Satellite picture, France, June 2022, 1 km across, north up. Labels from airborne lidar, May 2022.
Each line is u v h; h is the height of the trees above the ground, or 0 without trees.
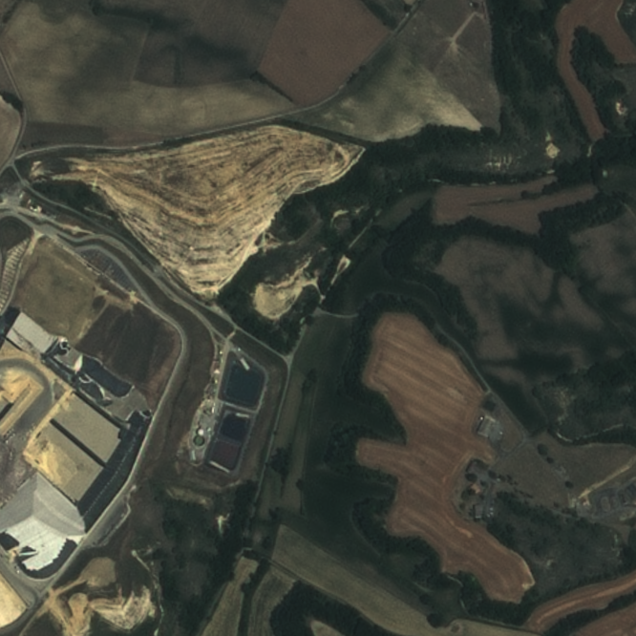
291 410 0
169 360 0
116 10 0
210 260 0
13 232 0
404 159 11
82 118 0
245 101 0
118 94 0
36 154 0
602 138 7
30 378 0
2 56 0
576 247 8
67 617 0
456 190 0
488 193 0
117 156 0
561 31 0
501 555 0
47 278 0
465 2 0
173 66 0
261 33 0
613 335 0
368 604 0
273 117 0
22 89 0
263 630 0
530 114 9
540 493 0
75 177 0
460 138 7
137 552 0
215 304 0
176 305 0
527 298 0
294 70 0
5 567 0
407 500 0
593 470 0
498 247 0
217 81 0
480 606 6
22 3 0
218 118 0
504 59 13
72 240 0
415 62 0
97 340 0
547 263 13
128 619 0
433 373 0
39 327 0
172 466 0
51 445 0
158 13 0
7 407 0
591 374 11
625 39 0
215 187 0
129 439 0
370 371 0
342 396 13
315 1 0
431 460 0
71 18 0
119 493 0
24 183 0
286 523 0
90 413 0
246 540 17
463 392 0
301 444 0
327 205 6
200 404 0
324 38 0
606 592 0
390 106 0
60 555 0
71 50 0
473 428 0
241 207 0
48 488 0
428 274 7
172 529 13
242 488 9
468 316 8
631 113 6
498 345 0
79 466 0
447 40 0
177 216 0
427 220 19
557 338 0
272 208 0
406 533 0
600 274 0
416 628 0
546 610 0
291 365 0
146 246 0
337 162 0
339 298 16
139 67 0
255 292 0
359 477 7
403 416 0
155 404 0
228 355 0
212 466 0
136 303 0
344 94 0
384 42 0
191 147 0
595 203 13
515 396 0
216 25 0
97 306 0
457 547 0
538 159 0
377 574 0
